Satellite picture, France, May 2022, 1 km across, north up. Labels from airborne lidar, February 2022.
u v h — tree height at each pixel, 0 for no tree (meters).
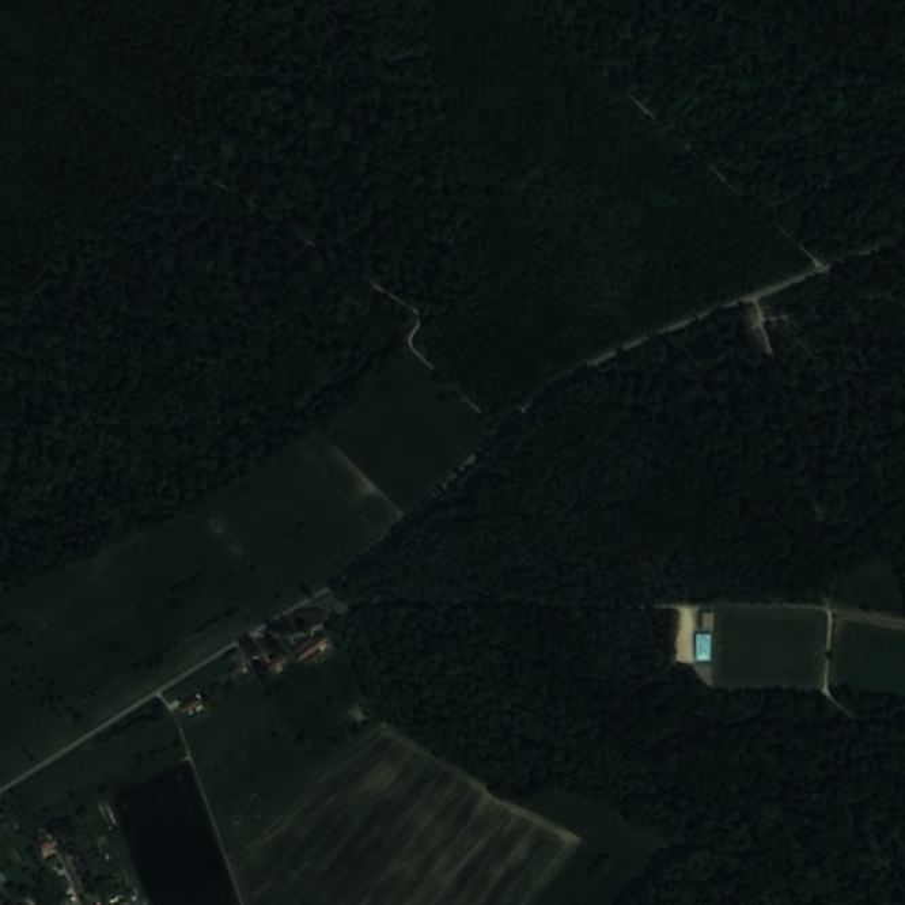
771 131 30
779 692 14
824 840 32
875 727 31
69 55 21
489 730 26
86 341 28
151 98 23
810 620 0
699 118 29
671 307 14
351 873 0
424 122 27
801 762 31
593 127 17
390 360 14
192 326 31
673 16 28
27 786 0
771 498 29
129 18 21
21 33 19
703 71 29
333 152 26
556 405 19
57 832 10
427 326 19
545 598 24
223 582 0
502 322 16
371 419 0
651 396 26
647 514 28
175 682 0
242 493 0
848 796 30
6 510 32
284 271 8
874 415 28
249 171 30
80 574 0
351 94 34
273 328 21
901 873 29
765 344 0
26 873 7
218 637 0
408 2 26
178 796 0
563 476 26
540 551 27
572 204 21
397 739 0
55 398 30
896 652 0
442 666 30
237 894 0
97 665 0
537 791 21
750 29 24
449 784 0
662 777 31
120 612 0
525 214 21
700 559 24
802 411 28
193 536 0
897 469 29
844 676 0
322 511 0
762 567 25
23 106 22
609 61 26
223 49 26
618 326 17
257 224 29
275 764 0
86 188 20
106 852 0
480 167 17
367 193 27
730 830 35
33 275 20
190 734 0
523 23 19
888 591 0
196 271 29
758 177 27
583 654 27
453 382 12
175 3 20
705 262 16
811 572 28
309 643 0
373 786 0
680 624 0
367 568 22
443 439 0
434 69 18
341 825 0
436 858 0
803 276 0
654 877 26
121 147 20
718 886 34
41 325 11
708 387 32
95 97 20
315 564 0
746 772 29
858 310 13
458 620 24
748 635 0
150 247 29
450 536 26
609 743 28
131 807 0
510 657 24
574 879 0
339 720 0
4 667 0
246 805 0
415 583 26
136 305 31
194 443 31
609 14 29
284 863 0
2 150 21
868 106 28
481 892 0
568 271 14
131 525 22
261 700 0
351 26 33
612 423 25
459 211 24
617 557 24
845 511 31
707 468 29
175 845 0
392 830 0
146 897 0
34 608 0
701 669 0
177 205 26
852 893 31
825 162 22
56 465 30
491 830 0
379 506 0
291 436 17
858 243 27
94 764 0
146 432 25
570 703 32
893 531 31
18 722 0
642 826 21
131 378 17
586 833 0
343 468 0
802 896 34
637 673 29
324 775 0
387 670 28
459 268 22
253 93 26
